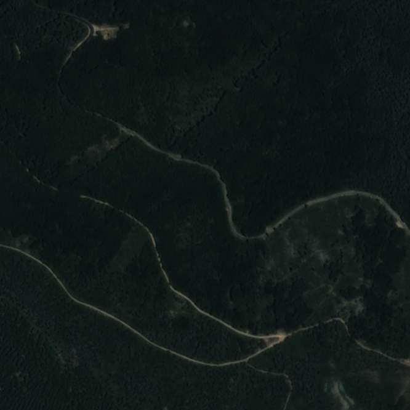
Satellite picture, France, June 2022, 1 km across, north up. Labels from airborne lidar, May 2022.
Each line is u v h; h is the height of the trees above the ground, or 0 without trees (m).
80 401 8
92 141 20
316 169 18
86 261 8
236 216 13
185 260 10
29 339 9
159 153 17
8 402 12
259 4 19
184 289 14
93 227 13
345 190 12
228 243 10
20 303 7
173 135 12
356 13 12
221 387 7
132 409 7
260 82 27
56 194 13
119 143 0
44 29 14
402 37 22
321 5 19
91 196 6
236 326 11
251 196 15
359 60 16
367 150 21
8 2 18
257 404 0
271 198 20
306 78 23
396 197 10
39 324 9
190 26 12
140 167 19
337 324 8
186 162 14
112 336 7
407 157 9
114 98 22
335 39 18
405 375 0
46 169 21
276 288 13
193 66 7
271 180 26
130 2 17
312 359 6
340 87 20
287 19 20
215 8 7
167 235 9
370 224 0
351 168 22
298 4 18
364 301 9
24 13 25
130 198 18
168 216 17
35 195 19
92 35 0
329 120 23
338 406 0
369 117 18
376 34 11
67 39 12
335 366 0
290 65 23
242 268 14
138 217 14
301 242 0
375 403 0
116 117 17
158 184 21
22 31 18
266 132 22
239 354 8
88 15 19
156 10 14
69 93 16
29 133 28
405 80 17
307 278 0
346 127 16
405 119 21
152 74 10
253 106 29
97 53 11
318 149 19
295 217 0
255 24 23
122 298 9
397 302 8
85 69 11
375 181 21
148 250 10
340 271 8
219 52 17
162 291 10
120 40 13
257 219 20
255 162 20
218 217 13
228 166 21
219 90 9
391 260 16
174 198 18
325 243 0
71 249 10
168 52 12
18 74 20
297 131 18
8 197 16
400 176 18
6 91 20
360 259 7
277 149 15
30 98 29
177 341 7
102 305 0
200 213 7
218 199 12
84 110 15
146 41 17
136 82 23
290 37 23
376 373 0
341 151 20
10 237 0
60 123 25
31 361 11
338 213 0
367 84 13
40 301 6
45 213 19
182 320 8
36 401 13
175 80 6
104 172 18
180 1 11
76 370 7
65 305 6
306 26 16
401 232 13
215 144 20
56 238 13
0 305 8
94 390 13
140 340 0
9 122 21
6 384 14
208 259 14
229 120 23
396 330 9
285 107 25
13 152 13
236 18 12
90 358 6
